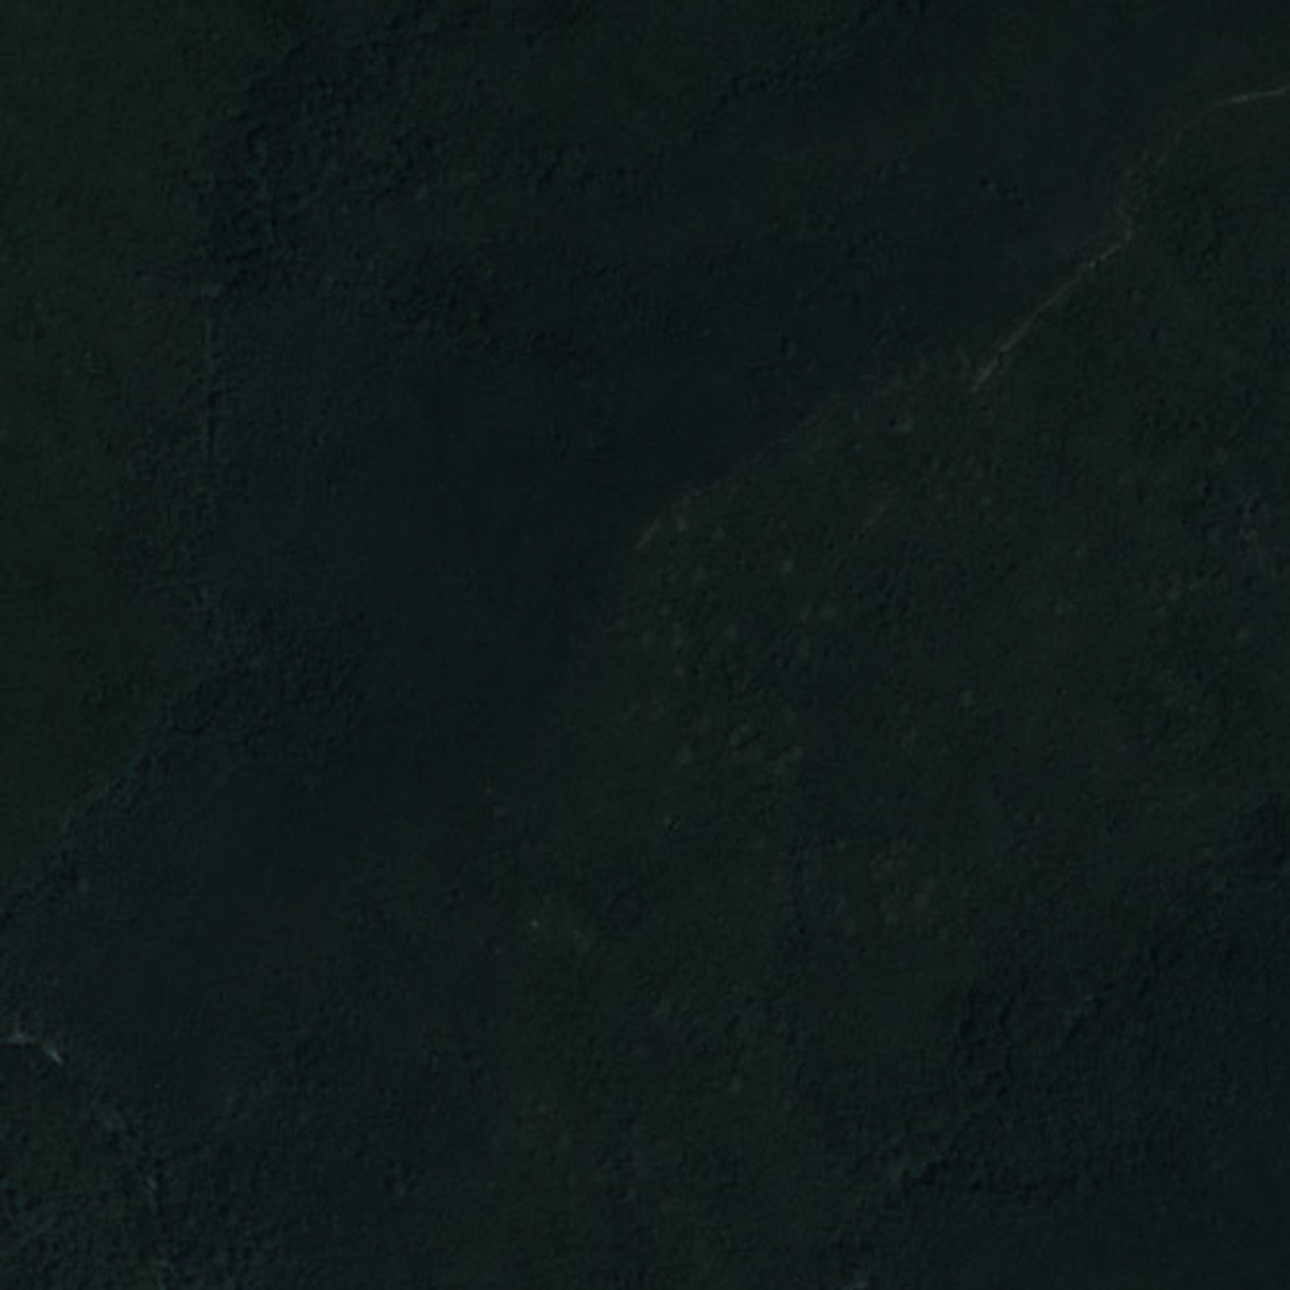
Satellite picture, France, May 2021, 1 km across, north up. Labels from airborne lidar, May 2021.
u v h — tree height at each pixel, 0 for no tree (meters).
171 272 14
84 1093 24
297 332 6
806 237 7
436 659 5
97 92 7
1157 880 9
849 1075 11
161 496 9
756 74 11
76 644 6
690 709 9
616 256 6
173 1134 7
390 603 7
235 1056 6
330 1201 8
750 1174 9
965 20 7
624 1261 14
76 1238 22
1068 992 16
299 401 7
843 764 8
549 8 9
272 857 6
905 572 7
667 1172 7
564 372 8
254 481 6
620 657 7
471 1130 7
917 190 6
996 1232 7
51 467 10
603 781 7
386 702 6
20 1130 16
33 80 10
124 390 15
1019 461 8
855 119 6
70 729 6
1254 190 6
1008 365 8
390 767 6
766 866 8
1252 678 9
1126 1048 7
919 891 9
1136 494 6
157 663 8
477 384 7
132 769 15
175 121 8
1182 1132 11
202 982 6
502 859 8
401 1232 6
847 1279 25
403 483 5
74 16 8
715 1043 15
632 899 12
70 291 7
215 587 7
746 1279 7
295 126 10
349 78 15
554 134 9
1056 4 5
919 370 9
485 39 7
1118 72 6
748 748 16
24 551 6
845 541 5
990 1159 9
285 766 7
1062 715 6
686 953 10
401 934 9
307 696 9
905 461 7
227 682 23
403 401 6
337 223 7
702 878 8
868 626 7
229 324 7
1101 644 6
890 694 8
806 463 6
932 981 6
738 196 5
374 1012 7
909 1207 10
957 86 6
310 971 7
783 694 9
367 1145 8
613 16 6
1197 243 6
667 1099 6
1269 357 7
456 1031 8
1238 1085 7
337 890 6
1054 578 6
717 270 11
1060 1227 7
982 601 8
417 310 9
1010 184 7
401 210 8
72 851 10
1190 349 6
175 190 9
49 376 8
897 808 6
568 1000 9
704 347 7
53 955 6
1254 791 7
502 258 9
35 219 7
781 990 8
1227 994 7
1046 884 11
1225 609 8
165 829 7
